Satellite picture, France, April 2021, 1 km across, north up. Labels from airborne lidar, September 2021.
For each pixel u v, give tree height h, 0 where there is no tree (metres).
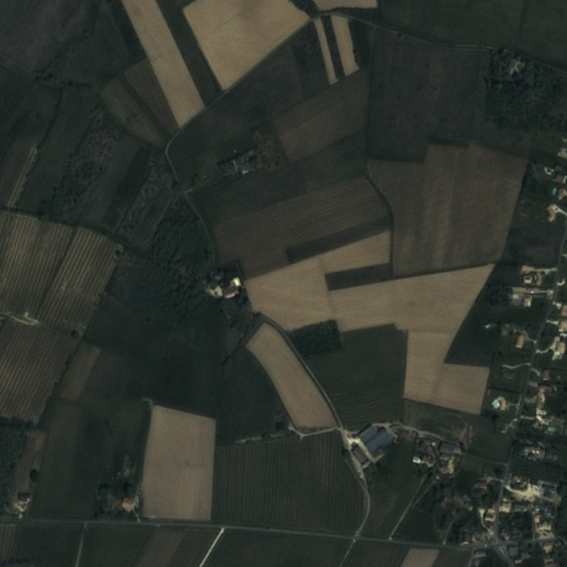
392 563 0
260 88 0
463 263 0
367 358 0
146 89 0
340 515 0
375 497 0
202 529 0
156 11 0
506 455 0
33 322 0
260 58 0
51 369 0
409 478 0
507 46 0
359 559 0
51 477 0
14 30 0
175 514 0
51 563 0
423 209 0
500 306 8
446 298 0
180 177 0
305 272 0
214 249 0
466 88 0
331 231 0
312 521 0
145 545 0
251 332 12
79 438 0
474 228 0
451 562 0
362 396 0
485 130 0
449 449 0
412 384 0
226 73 0
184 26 0
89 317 0
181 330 7
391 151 0
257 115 0
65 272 0
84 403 0
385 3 0
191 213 9
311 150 0
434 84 0
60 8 0
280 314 0
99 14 0
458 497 0
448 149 0
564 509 8
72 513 0
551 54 0
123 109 0
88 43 0
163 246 12
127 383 0
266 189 0
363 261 0
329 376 0
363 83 0
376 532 0
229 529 0
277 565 0
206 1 0
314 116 0
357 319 0
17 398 0
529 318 0
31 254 0
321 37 0
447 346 0
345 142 0
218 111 0
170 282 8
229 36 0
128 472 0
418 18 0
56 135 0
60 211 9
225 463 0
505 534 0
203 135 0
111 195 0
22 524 0
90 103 0
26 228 0
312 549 0
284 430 0
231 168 12
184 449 0
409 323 0
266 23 0
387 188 0
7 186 0
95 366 0
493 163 0
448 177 0
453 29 0
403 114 0
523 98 12
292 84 0
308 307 0
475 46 0
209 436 0
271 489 0
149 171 7
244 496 0
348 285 0
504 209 0
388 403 0
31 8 0
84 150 6
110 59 0
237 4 0
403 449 0
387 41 0
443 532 16
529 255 0
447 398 0
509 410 0
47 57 0
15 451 19
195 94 0
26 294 0
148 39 0
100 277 0
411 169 0
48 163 0
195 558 0
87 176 6
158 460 0
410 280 0
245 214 0
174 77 0
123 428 0
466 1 0
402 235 0
